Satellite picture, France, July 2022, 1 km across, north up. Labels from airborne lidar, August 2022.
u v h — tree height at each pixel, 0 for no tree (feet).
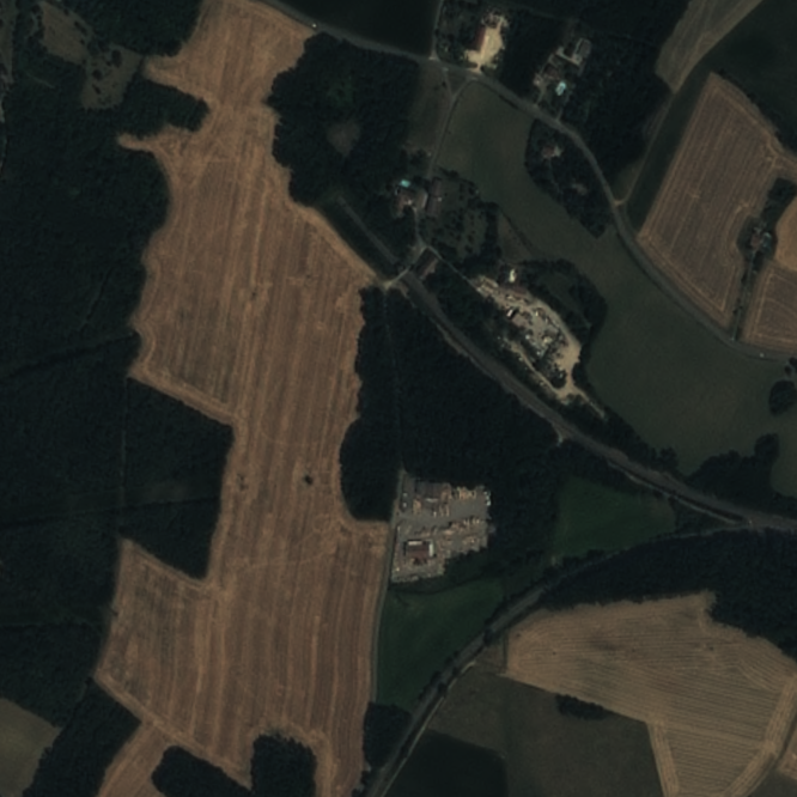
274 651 0
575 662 0
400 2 0
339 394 0
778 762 0
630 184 0
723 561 50
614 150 42
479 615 0
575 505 0
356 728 0
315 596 0
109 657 0
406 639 0
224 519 0
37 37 22
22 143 36
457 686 0
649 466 38
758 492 46
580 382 46
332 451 0
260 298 0
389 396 52
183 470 44
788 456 0
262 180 0
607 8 49
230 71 0
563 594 64
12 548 57
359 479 59
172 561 37
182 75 0
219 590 0
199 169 0
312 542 0
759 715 0
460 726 0
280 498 0
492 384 79
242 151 0
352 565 0
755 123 0
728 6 0
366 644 0
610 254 0
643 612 0
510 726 0
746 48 0
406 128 65
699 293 0
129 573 0
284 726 0
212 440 34
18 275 45
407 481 0
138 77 36
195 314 0
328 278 0
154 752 0
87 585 34
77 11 20
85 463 71
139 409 40
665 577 70
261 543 0
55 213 41
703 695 0
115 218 40
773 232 25
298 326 0
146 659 0
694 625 0
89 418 48
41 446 74
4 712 0
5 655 54
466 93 0
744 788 0
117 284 29
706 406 0
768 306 0
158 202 57
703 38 0
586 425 40
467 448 96
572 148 54
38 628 29
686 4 34
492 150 0
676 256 0
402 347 55
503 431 74
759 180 0
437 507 0
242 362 0
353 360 0
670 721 0
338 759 0
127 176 47
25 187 35
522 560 56
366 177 68
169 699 0
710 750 0
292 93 47
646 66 46
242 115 0
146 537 46
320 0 0
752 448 0
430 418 89
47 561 39
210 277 0
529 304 0
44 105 27
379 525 0
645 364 0
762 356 0
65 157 55
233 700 0
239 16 0
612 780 0
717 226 0
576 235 0
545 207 0
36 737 0
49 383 64
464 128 0
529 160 24
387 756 49
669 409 0
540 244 0
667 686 0
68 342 54
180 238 0
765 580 86
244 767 0
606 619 0
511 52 22
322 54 58
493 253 57
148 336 0
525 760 0
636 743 0
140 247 61
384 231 60
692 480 33
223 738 0
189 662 0
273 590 0
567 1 45
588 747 0
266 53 0
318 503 0
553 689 0
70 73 22
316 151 67
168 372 0
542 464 69
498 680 0
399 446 60
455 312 62
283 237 0
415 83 62
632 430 50
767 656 0
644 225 0
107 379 40
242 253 0
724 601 32
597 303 43
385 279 0
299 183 62
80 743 43
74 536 20
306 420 0
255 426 0
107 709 34
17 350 50
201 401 0
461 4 35
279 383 0
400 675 0
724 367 0
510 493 58
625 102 53
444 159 0
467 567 0
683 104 0
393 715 65
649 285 0
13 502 60
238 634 0
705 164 0
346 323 0
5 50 0
